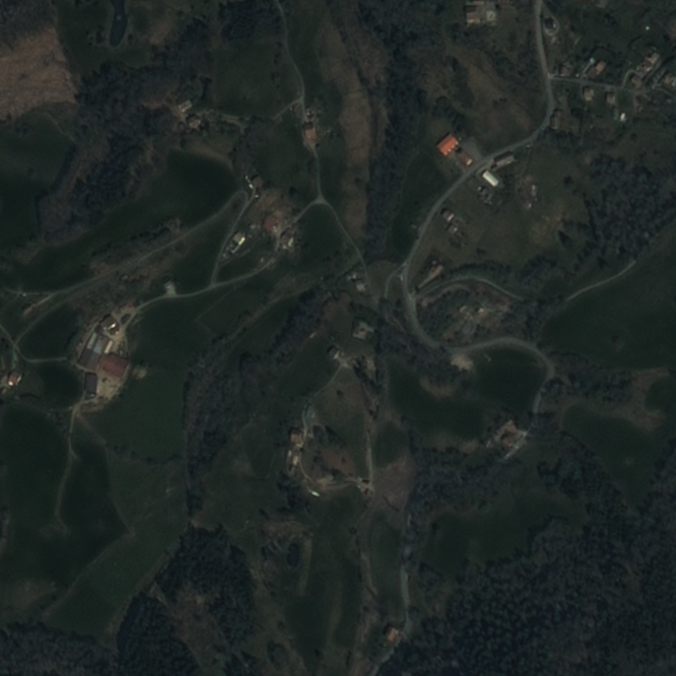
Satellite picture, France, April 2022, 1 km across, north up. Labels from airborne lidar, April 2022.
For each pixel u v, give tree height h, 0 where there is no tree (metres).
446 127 0
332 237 0
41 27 29
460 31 12
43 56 0
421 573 10
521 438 0
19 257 0
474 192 0
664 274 0
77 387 0
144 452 0
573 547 15
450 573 0
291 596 0
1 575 0
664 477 22
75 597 0
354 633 0
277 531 0
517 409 0
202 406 8
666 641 10
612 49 9
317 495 0
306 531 0
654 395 0
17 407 0
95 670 27
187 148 15
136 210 0
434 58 0
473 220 0
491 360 0
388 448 0
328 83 0
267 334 0
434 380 14
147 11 0
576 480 17
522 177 0
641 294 0
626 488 0
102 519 0
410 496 0
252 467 0
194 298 0
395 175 27
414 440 15
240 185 0
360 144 0
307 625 0
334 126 0
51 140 0
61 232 24
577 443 10
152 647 26
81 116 0
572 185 18
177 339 0
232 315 0
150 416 0
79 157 24
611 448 0
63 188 23
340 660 0
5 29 30
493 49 0
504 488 11
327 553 0
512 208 0
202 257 0
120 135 30
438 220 0
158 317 0
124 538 0
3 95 0
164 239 15
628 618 16
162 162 20
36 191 0
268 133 13
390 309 19
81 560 0
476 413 0
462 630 20
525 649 24
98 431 0
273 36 24
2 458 0
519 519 0
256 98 0
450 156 0
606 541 23
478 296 6
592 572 21
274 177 0
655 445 0
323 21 0
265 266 0
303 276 0
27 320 0
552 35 0
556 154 0
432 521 0
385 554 0
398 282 0
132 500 0
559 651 24
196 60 19
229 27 20
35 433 0
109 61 0
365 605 0
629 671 8
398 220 0
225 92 0
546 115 0
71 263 0
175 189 0
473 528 0
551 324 0
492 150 0
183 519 0
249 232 0
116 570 0
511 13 0
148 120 16
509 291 0
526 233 0
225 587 19
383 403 0
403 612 0
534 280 23
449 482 22
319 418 0
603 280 0
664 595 14
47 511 0
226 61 0
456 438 0
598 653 15
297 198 23
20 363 7
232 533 0
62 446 0
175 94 7
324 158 0
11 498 0
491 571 19
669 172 0
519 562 17
